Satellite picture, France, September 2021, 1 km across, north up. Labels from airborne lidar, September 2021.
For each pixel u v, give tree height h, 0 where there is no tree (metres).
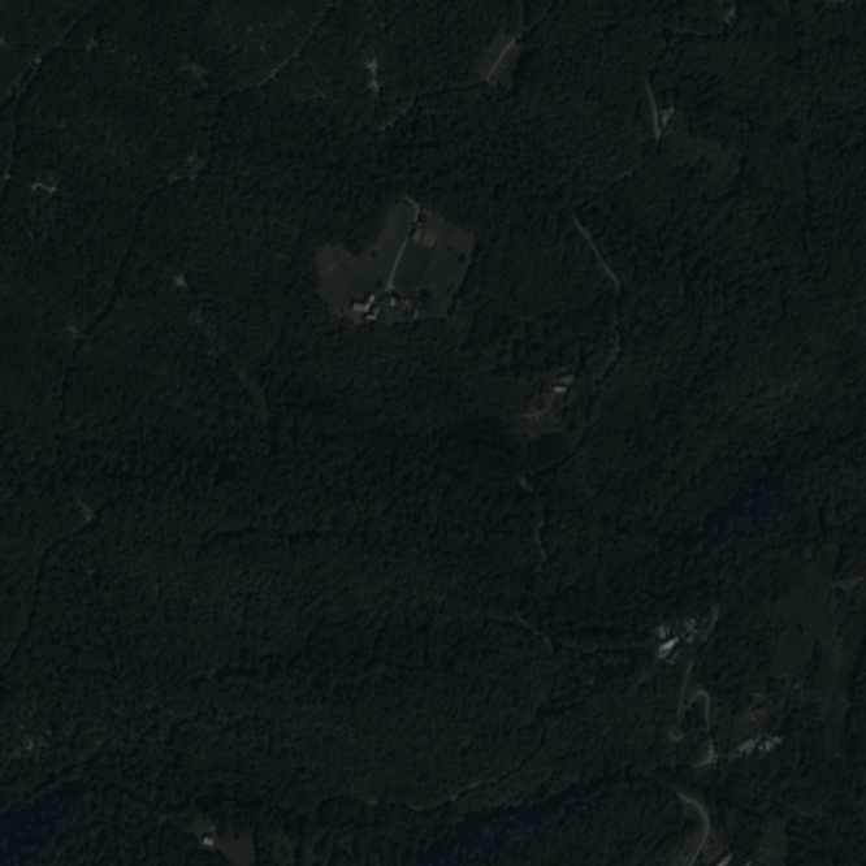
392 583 13
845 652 0
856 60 14
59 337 20
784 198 22
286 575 17
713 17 19
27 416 15
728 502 21
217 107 17
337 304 0
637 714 15
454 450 28
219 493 21
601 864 17
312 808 22
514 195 24
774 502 18
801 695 9
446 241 0
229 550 20
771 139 23
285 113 19
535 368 8
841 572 9
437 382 16
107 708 15
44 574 22
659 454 21
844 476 12
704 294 11
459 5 27
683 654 11
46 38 16
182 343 23
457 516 22
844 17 20
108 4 20
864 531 16
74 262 15
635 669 14
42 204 12
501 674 18
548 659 19
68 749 20
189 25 14
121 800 33
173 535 22
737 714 12
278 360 12
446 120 18
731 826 18
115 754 14
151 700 22
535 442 8
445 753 19
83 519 7
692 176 12
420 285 0
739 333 24
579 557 20
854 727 18
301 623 22
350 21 20
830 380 14
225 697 19
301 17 14
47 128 18
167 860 23
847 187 18
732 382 15
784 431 23
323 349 20
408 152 20
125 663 29
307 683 25
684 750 6
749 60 15
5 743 19
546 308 22
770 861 0
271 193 16
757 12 24
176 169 14
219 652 24
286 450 24
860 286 22
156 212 21
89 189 20
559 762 19
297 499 23
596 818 15
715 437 16
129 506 20
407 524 18
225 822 19
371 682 25
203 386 23
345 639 31
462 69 17
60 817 9
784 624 6
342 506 19
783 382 11
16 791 31
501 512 23
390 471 15
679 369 18
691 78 23
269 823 25
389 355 13
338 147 22
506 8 18
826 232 27
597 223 36
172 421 29
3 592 15
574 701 19
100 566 17
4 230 22
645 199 17
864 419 33
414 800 15
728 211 11
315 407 21
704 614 14
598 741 23
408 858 29
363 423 26
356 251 13
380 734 16
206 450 11
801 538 20
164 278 22
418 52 17
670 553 26
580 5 20
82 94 16
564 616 27
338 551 16
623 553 17
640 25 24
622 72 26
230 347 23
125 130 14
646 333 20
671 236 28
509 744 21
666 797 23
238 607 15
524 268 19
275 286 10
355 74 21
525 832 23
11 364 19
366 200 20
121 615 25
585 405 8
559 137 15
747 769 15
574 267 22
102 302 15
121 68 19
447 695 20
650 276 25
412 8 14
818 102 17
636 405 21
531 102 16
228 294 20
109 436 24
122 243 16
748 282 22
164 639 24
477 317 17
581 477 15
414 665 20
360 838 28
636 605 21
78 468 29
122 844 35
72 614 22
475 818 8
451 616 18
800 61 14
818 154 15
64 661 25
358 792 17
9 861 8
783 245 25
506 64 0
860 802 15
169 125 16
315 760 16
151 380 22
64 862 19
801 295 18
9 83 14
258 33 11
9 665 14
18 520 14
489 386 19
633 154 20
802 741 15
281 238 13
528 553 19
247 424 28
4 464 18
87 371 23
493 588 20
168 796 27
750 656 15
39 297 15
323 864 21
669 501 11
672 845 25
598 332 20
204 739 18
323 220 22
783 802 25
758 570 21
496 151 36
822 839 22
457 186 24
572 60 22
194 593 13
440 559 21
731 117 23
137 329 17
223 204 25
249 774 19
